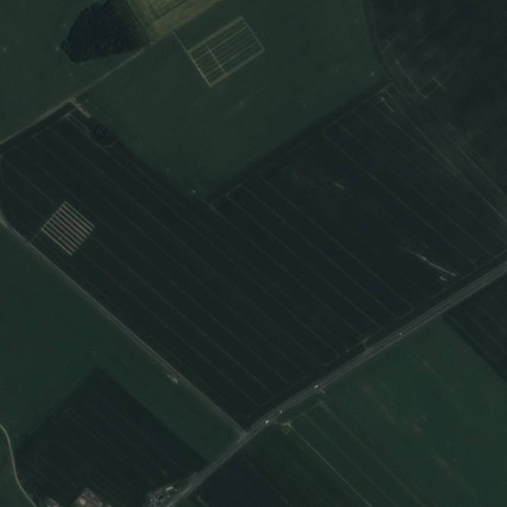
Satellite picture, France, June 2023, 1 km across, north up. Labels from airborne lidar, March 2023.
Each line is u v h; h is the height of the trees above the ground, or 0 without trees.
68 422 0
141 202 0
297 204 0
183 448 0
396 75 0
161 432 0
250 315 0
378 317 0
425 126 0
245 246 0
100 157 0
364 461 0
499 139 0
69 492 0
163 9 0
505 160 0
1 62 0
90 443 0
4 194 0
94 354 0
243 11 0
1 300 0
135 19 0
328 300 0
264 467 0
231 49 0
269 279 0
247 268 0
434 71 0
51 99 0
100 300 0
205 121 0
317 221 0
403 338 0
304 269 0
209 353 0
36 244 0
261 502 0
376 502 0
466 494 0
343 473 0
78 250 0
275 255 0
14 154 0
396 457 0
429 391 0
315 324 0
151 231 0
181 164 0
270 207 0
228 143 0
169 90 0
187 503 0
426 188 0
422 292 0
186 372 0
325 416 0
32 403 0
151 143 0
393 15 0
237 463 0
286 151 0
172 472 0
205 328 0
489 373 0
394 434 0
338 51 0
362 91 0
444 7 0
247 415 0
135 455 0
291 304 0
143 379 0
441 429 0
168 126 0
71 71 0
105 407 0
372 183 0
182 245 0
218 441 0
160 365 0
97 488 0
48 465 0
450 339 0
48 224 0
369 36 0
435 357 0
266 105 0
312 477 0
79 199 0
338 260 0
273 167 0
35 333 0
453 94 0
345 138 0
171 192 0
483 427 0
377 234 0
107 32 27
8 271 0
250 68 0
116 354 0
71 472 0
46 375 0
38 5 0
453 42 0
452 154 0
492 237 0
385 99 0
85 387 0
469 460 0
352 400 0
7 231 0
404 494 0
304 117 0
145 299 0
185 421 0
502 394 0
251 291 0
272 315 0
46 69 0
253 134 0
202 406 0
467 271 0
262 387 0
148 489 0
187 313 0
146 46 0
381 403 0
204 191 0
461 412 0
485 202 0
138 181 0
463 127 0
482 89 0
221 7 0
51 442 0
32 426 0
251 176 0
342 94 0
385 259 0
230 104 0
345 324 0
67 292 0
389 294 0
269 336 0
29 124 0
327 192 0
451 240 0
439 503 0
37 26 0
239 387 0
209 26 0
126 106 0
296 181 0
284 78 0
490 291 0
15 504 0
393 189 0
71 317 0
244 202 0
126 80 0
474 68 0
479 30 0
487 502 0
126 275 0
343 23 0
